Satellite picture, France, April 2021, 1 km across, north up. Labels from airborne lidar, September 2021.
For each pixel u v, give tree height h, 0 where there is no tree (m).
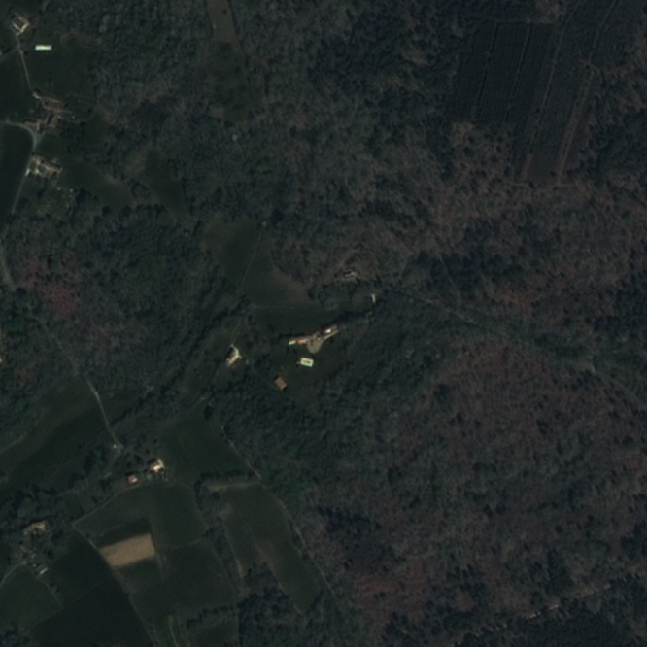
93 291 16
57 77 0
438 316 23
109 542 0
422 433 10
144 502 0
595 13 9
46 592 0
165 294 24
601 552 18
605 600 12
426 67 11
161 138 21
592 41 10
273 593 6
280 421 16
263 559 0
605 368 19
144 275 22
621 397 16
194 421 0
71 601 0
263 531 0
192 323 19
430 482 15
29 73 0
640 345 20
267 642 22
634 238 8
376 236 14
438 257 19
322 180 8
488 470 18
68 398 0
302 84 17
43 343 26
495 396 12
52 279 11
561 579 17
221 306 0
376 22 19
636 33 8
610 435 6
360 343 10
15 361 15
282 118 21
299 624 17
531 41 10
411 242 10
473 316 18
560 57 10
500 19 14
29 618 0
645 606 19
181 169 18
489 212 18
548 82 9
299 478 19
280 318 0
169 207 0
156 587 0
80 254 6
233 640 0
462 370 17
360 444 17
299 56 25
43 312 21
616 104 14
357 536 8
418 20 16
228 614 13
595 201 14
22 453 0
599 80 8
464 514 19
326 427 11
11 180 0
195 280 17
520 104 10
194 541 0
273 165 22
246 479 15
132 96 15
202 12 19
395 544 12
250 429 18
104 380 24
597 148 12
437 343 15
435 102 11
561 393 10
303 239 19
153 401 18
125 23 14
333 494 10
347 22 7
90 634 0
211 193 18
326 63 26
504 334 19
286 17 16
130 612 0
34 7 0
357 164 19
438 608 9
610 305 7
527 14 14
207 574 0
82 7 11
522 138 10
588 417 7
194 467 0
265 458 23
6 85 0
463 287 22
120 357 24
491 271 28
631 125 16
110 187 0
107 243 19
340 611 20
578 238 8
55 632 0
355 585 11
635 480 20
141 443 15
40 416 7
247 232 0
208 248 0
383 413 7
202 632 0
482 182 15
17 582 0
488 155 8
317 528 21
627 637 22
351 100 26
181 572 0
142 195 25
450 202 12
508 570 10
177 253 28
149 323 25
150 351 13
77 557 0
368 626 7
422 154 15
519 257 7
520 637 12
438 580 8
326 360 0
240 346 0
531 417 8
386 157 17
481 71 12
